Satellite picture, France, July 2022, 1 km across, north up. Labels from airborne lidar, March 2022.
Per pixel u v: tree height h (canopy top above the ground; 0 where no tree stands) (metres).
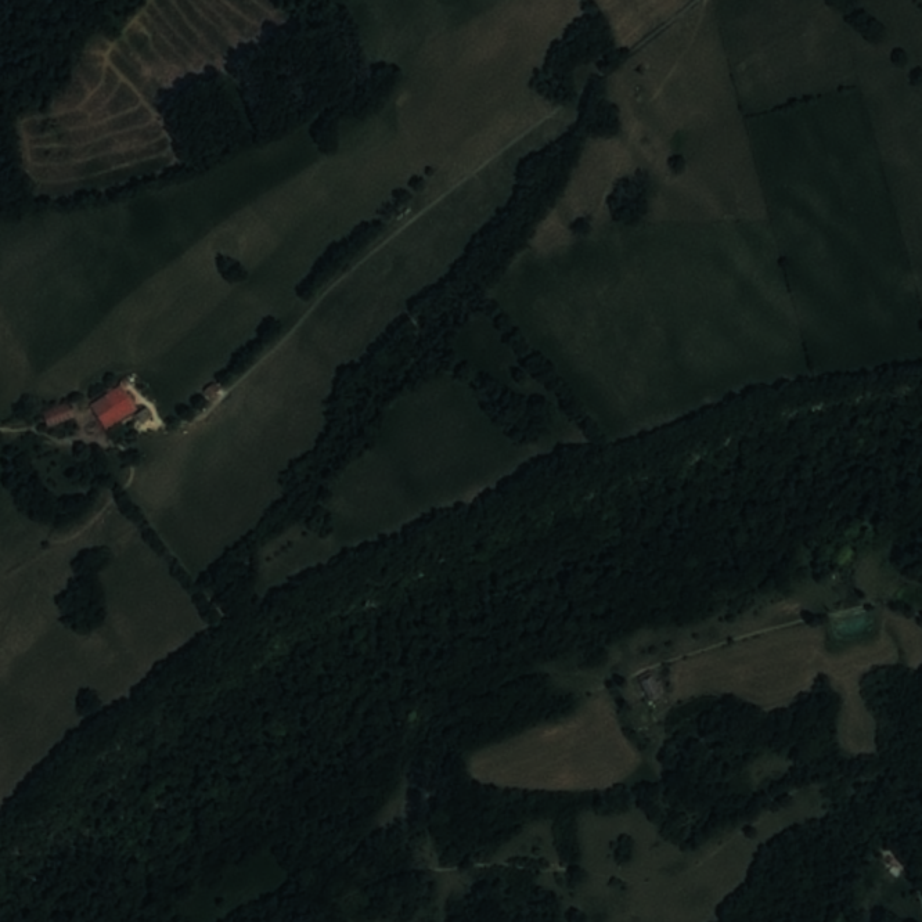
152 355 0
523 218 25
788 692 0
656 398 0
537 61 0
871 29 25
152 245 0
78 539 0
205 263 0
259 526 6
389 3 0
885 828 8
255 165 0
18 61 8
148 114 28
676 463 17
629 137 0
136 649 0
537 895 22
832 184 0
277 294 0
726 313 0
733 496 15
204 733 30
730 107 0
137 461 15
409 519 0
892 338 0
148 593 0
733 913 25
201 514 0
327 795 22
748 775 0
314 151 0
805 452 28
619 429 0
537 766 0
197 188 0
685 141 0
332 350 0
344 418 21
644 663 0
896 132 0
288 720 25
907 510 27
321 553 0
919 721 19
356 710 29
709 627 0
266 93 20
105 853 26
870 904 0
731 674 0
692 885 0
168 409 0
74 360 0
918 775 10
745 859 0
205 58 27
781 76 0
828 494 26
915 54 0
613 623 9
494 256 26
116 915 27
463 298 24
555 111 0
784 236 0
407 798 0
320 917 22
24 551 0
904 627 0
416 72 0
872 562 0
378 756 24
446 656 21
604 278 0
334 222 0
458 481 0
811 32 0
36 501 21
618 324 0
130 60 32
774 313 0
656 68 0
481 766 0
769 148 0
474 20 0
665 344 0
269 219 0
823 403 13
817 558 20
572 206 0
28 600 0
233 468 0
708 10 0
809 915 15
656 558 22
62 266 0
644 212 13
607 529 31
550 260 0
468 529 16
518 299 0
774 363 0
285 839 16
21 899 30
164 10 30
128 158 22
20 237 0
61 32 28
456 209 0
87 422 0
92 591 19
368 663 27
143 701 19
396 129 0
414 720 19
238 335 0
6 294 0
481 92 0
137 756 27
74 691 0
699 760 22
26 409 20
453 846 11
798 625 0
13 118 23
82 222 0
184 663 20
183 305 0
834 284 0
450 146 0
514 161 0
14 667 0
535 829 0
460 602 26
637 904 0
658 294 0
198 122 25
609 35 20
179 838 33
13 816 16
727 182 0
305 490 24
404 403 0
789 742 14
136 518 14
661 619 20
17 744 0
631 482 18
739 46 0
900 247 0
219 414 0
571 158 22
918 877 15
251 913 11
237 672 21
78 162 26
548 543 34
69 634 0
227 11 25
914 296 0
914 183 0
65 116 29
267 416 0
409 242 0
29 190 24
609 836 0
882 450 15
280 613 23
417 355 24
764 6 0
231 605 17
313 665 23
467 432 0
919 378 15
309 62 24
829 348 0
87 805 25
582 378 0
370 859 18
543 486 22
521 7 0
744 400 16
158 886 28
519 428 26
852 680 0
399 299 0
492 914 22
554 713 15
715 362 0
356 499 0
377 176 0
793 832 15
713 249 0
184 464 0
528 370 24
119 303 0
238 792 33
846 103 0
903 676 16
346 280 0
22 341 0
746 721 23
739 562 26
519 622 20
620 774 0
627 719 0
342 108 25
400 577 26
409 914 9
